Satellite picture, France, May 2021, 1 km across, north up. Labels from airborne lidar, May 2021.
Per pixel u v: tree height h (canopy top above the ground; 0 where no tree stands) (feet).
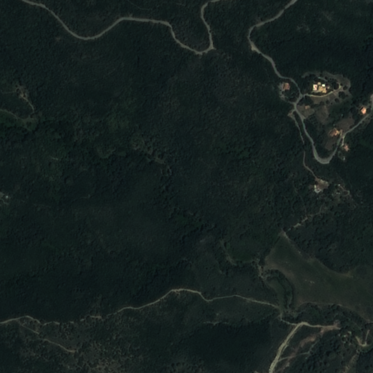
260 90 21
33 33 19
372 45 38
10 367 18
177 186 33
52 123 60
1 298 24
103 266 37
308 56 52
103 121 23
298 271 0
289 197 51
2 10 33
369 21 29
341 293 0
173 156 31
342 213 29
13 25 35
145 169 48
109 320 30
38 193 24
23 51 32
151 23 35
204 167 21
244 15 24
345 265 20
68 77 20
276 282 0
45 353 33
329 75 0
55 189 26
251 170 34
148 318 21
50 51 32
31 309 20
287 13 33
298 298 0
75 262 37
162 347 27
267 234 19
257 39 26
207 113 33
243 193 30
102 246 57
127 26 40
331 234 27
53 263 33
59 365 22
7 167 21
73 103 26
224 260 33
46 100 23
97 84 25
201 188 23
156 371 22
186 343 19
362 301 0
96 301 29
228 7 34
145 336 19
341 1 30
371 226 40
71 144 44
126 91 34
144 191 30
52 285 19
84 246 39
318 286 0
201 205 33
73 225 25
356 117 24
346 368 0
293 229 34
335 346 32
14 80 34
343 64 17
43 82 26
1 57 49
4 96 18
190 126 26
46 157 21
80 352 29
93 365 34
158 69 38
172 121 20
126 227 27
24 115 37
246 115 19
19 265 19
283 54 29
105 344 33
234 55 22
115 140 47
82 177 19
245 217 38
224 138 30
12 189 27
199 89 31
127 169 38
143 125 42
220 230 24
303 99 40
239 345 22
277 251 0
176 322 21
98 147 44
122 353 31
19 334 32
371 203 22
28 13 21
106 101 20
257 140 28
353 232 33
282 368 0
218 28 33
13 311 20
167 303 30
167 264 38
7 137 19
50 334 19
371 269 0
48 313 23
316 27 24
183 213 37
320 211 0
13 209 22
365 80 54
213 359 18
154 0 27
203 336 21
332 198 22
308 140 24
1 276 24
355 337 35
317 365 35
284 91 21
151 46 21
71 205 23
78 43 22
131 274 30
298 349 0
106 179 53
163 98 24
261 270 0
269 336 18
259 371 0
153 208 42
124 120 44
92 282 25
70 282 25
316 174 24
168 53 24
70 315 26
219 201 26
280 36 35
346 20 35
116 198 32
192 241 29
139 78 39
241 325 25
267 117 20
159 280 50
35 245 33
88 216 20
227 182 32
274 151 44
